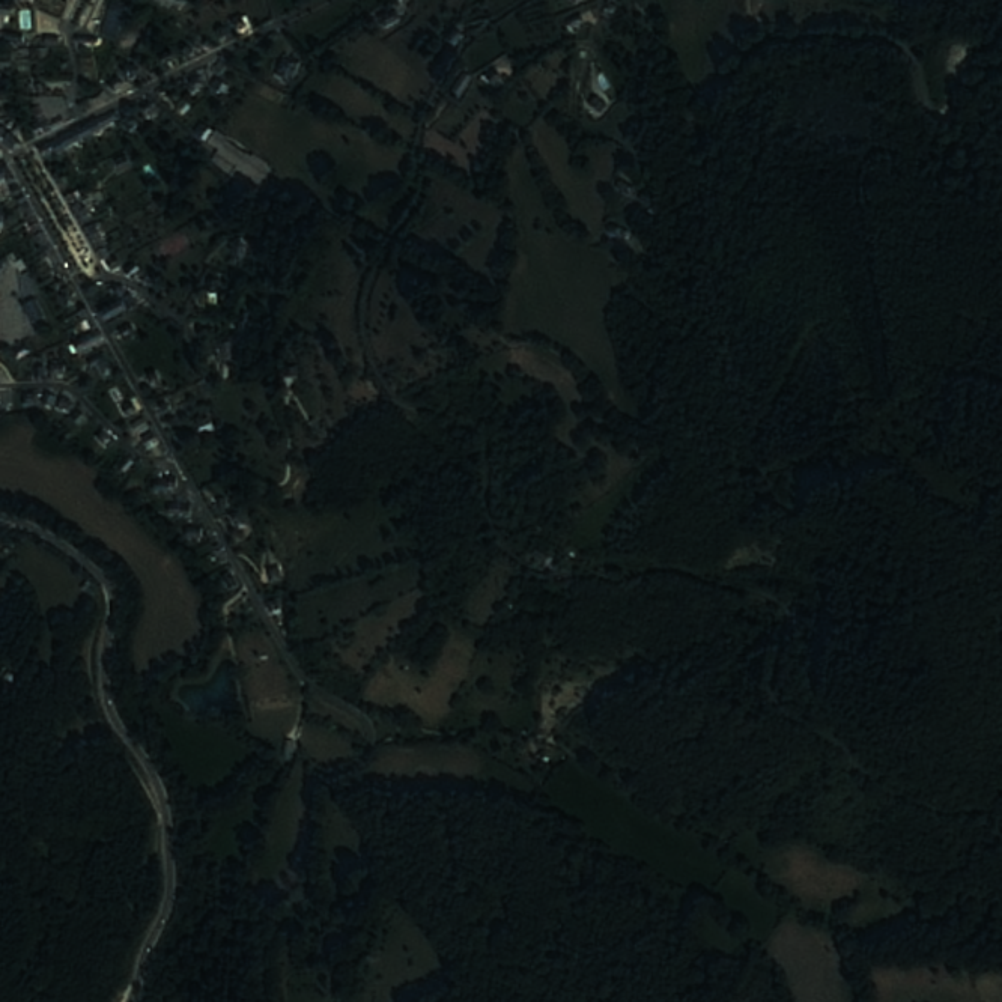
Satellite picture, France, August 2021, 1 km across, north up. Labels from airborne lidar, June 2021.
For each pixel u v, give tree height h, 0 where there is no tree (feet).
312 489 55
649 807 70
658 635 69
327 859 56
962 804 37
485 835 56
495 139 45
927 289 82
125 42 0
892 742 68
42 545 39
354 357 31
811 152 34
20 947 98
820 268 46
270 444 32
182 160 43
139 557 0
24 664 36
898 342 76
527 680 45
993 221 73
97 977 71
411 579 0
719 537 68
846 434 25
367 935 49
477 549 27
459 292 79
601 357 0
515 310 0
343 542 0
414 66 0
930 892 73
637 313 43
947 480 0
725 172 74
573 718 0
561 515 52
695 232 80
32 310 0
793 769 63
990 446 91
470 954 76
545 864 73
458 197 0
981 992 0
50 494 0
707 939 0
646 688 89
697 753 72
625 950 50
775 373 90
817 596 32
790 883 0
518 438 51
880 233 62
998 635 43
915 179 90
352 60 0
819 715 50
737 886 0
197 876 92
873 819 38
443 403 31
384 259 44
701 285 86
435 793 73
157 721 56
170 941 35
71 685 62
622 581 50
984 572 45
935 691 119
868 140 25
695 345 77
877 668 122
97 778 67
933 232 67
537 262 0
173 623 0
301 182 0
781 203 70
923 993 0
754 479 52
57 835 53
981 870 59
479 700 0
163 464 0
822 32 54
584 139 36
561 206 53
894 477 72
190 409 19
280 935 80
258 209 107
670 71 54
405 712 57
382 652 39
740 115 31
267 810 85
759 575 53
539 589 41
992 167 88
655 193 52
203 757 0
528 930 88
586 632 62
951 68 0
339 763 27
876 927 0
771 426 67
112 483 22
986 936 110
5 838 70
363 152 0
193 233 0
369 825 90
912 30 61
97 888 82
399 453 74
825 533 71
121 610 54
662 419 63
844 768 24
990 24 65
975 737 65
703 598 64
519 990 80
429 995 70
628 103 25
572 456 57
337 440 57
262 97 0
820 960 0
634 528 40
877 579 96
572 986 66
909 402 45
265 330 51
